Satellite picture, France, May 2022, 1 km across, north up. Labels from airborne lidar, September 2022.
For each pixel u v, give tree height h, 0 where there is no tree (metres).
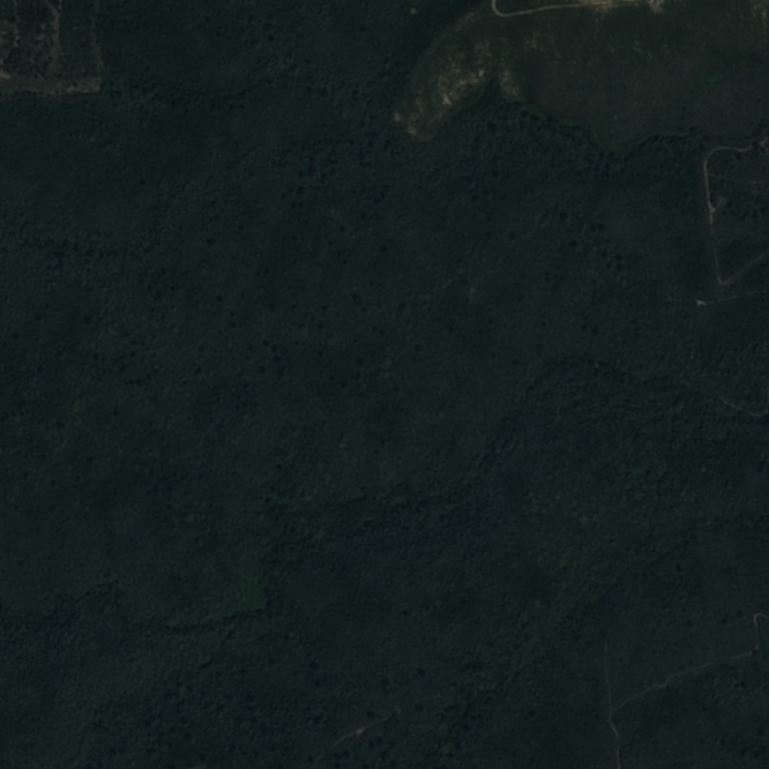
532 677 6
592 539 6
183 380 7
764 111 0
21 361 6
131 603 5
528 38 0
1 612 11
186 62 5
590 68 0
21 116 6
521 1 0
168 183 8
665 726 5
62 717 7
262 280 7
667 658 0
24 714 5
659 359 8
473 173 7
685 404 7
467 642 6
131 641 9
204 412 6
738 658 0
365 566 6
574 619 11
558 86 0
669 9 0
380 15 6
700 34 0
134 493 6
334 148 11
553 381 7
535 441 6
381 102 6
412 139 8
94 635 8
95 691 12
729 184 6
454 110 0
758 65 0
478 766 5
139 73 7
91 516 6
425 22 5
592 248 7
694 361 7
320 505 8
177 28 6
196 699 7
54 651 8
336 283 6
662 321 6
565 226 6
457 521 6
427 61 0
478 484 9
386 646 6
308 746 6
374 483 7
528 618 10
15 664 9
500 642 9
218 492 5
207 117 6
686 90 0
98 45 6
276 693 8
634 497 10
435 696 8
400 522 10
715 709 6
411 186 8
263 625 9
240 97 7
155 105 9
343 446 7
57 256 16
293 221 6
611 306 6
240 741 8
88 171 6
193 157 7
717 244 0
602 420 8
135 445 6
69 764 14
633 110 0
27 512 6
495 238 5
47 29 6
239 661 7
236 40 7
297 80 6
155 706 8
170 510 7
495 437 11
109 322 6
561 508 7
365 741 7
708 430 8
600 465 8
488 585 6
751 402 6
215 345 5
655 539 8
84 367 6
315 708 7
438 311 6
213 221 9
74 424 8
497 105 7
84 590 10
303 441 8
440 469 6
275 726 11
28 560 7
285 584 8
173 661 8
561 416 7
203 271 6
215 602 11
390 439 7
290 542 10
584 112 0
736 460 7
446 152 6
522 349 6
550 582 7
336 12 7
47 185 6
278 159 10
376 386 6
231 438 7
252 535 7
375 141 10
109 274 9
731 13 0
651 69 0
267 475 8
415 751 8
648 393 7
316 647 7
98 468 6
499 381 6
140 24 8
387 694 14
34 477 6
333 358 6
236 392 6
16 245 16
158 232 12
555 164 12
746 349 9
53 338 7
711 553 0
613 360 6
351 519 14
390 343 6
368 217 12
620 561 9
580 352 6
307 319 9
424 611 7
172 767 14
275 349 14
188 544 6
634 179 9
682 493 7
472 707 18
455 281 7
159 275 11
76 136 6
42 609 6
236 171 9
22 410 12
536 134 8
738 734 7
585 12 0
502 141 6
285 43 6
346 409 7
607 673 0
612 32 0
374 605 6
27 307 5
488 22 0
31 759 8
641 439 13
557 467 6
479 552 11
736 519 7
